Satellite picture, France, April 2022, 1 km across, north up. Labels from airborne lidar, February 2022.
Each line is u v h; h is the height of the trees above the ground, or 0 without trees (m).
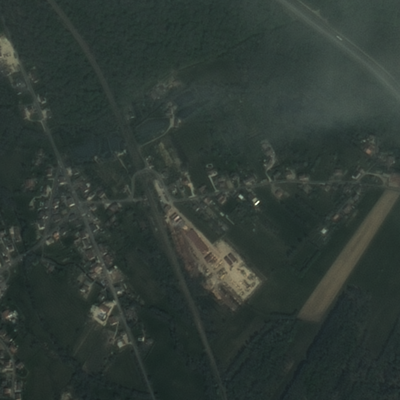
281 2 0
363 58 0
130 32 29
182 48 30
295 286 0
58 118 22
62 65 25
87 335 0
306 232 0
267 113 19
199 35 28
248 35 20
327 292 0
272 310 0
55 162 19
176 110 0
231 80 0
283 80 20
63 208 9
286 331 6
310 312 0
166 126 0
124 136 0
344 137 18
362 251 0
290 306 0
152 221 0
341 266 0
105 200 0
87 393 17
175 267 0
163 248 0
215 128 22
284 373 15
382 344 0
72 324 0
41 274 0
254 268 0
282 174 6
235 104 0
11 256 0
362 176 0
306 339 0
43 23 29
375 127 22
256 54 22
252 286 0
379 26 19
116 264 0
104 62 27
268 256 0
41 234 0
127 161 0
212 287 0
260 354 23
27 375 0
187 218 0
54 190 0
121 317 0
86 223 0
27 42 26
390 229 0
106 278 0
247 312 0
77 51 26
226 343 0
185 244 0
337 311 18
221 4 24
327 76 19
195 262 0
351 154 0
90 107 27
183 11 25
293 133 0
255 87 22
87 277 0
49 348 0
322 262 0
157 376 0
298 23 13
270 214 0
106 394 0
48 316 0
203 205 0
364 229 0
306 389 24
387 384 18
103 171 0
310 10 0
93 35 27
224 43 27
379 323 0
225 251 0
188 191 0
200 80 0
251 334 0
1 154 19
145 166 0
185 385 0
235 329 0
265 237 0
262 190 0
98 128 25
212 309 0
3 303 7
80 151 0
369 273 0
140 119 17
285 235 0
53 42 26
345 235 0
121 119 0
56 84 28
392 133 12
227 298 0
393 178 0
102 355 0
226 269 0
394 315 0
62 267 0
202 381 0
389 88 0
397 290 0
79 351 0
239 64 20
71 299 0
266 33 18
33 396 0
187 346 0
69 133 23
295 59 18
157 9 28
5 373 0
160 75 18
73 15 22
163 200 0
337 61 18
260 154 0
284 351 18
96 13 25
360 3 22
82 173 0
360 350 16
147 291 0
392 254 0
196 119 0
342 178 0
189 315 20
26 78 0
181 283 0
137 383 0
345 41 0
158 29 28
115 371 0
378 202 0
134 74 29
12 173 0
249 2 30
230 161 22
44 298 0
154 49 25
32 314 0
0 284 0
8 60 0
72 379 7
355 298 9
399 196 0
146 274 0
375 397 25
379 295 0
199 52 21
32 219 0
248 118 0
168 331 0
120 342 0
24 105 0
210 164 0
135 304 17
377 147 0
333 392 19
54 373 0
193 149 0
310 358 23
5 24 0
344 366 20
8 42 0
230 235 0
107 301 10
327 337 27
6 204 12
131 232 0
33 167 9
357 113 21
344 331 26
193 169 0
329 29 0
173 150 0
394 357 24
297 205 0
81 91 27
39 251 0
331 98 20
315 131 21
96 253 0
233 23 29
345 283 0
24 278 0
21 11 21
